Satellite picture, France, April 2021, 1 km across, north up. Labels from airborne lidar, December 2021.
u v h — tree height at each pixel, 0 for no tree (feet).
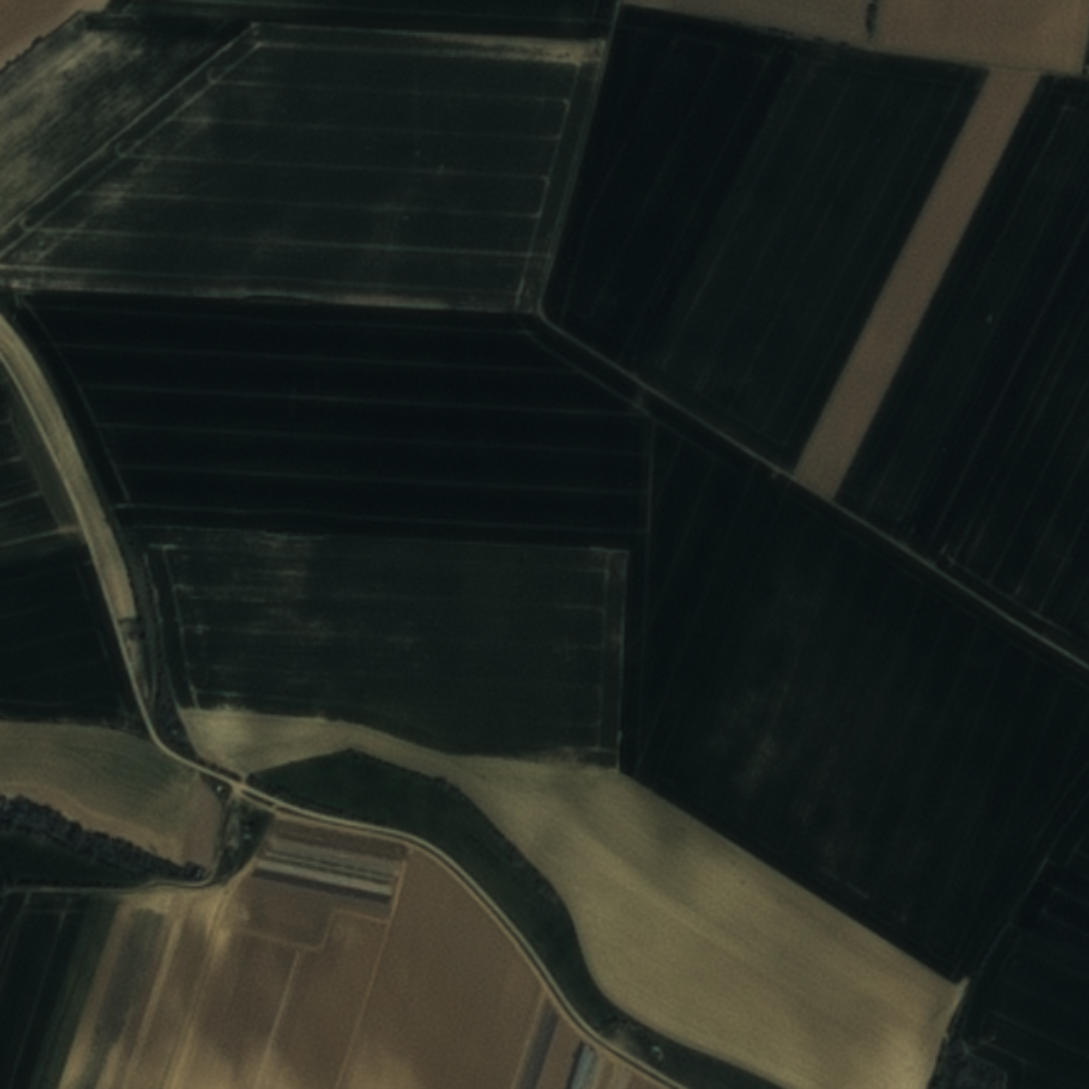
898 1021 0
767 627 0
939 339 0
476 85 0
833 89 0
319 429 0
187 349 0
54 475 0
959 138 0
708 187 0
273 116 0
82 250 0
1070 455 0
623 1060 0
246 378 0
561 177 0
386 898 0
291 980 0
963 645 0
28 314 0
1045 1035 0
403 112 0
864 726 0
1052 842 0
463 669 0
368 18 0
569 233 0
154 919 0
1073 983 0
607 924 0
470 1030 0
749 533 0
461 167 0
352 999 0
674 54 0
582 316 0
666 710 0
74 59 0
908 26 0
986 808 0
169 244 0
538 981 0
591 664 0
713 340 0
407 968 0
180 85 0
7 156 0
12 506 0
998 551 0
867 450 0
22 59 0
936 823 0
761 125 0
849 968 0
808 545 0
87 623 0
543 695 0
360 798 0
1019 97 0
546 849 0
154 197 0
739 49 0
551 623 0
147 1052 0
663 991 0
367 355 0
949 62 0
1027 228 0
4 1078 0
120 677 0
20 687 0
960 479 0
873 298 0
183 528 0
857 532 0
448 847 0
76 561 0
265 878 0
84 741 0
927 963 0
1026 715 0
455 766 0
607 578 0
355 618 0
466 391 0
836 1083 0
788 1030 0
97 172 0
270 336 0
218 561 0
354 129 0
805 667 0
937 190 0
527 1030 0
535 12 0
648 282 0
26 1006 0
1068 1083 0
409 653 0
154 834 0
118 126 0
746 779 0
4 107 0
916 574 0
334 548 0
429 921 0
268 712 0
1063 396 0
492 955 0
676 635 0
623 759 0
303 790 0
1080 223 0
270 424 0
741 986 0
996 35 0
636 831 0
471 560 0
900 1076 0
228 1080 0
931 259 0
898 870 0
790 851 0
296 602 0
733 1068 0
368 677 0
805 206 0
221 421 0
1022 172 0
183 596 0
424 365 0
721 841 0
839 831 0
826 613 0
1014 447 0
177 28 0
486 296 0
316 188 0
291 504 0
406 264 0
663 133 0
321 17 0
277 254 0
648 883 0
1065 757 0
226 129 0
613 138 0
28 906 0
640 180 0
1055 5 0
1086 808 0
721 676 0
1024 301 0
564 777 0
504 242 0
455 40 0
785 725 0
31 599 0
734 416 0
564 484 0
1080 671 0
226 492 0
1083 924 0
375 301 0
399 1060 0
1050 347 0
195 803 0
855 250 0
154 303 0
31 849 0
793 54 0
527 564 0
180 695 0
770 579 0
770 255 0
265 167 0
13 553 0
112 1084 0
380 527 0
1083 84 0
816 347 0
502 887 0
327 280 0
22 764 0
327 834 0
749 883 0
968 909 0
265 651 0
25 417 0
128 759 0
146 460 0
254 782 24
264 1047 0
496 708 0
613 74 0
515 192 0
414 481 0
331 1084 0
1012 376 0
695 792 0
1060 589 0
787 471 0
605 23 0
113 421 0
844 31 0
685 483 0
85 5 0
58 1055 0
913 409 0
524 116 0
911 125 0
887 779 0
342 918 0
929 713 0
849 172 0
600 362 0
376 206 0
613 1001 0
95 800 0
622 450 0
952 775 0
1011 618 0
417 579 0
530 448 0
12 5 0
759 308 0
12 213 0
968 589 0
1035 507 0
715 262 0
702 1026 0
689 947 0
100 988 0
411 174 0
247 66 0
